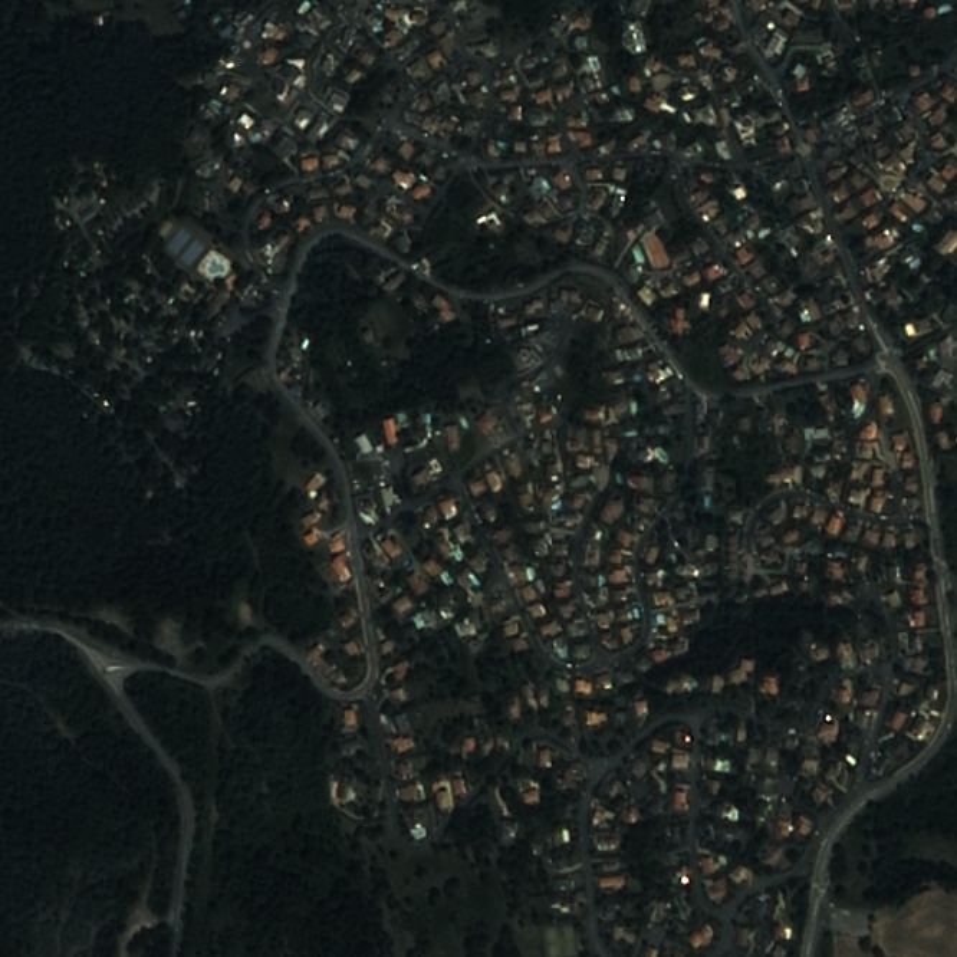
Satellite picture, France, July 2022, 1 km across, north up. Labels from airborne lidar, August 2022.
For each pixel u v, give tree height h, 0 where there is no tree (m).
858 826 8
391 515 0
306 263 8
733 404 14
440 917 0
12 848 10
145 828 13
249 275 6
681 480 9
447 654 6
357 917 16
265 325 12
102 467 20
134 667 0
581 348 10
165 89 20
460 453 0
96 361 13
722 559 6
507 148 6
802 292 14
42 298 12
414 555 8
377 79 13
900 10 7
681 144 7
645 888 11
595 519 8
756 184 12
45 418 12
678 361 0
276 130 7
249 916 11
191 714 10
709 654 17
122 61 17
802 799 6
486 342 8
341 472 0
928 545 14
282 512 12
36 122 18
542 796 8
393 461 0
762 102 7
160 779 11
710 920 7
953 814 7
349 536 0
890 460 0
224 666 14
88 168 10
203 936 6
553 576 7
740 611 16
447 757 13
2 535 16
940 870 8
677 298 11
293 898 7
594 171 0
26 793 17
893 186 0
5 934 8
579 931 13
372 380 9
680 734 0
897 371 0
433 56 0
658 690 11
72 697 14
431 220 6
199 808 9
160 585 21
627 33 0
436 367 15
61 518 11
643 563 7
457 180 6
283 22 0
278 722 11
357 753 10
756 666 8
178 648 0
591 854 10
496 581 0
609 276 0
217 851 8
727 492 6
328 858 12
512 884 14
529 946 0
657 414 6
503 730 12
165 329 12
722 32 5
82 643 0
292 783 6
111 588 15
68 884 7
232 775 11
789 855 12
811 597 15
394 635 10
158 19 0
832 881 7
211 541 17
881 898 11
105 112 17
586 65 0
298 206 9
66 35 19
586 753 9
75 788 17
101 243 8
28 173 14
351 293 14
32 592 8
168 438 14
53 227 13
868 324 0
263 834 8
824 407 13
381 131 0
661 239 8
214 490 18
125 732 10
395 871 0
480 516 12
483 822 15
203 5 16
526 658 11
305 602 12
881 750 11
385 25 6
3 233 17
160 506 18
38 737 8
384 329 0
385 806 10
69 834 18
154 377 6
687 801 7
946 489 12
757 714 9
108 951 10
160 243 7
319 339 7
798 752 11
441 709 0
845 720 8
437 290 6
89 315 10
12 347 13
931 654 7
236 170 11
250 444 14
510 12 9
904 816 14
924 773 7
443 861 0
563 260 11
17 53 22
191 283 9
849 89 12
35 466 19
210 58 11
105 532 19
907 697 11
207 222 9
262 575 7
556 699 13
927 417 12
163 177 12
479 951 17
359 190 8
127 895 11
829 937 8
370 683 0
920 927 0
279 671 13
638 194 12
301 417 0
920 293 8
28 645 10
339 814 6
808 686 12
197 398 13
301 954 6
